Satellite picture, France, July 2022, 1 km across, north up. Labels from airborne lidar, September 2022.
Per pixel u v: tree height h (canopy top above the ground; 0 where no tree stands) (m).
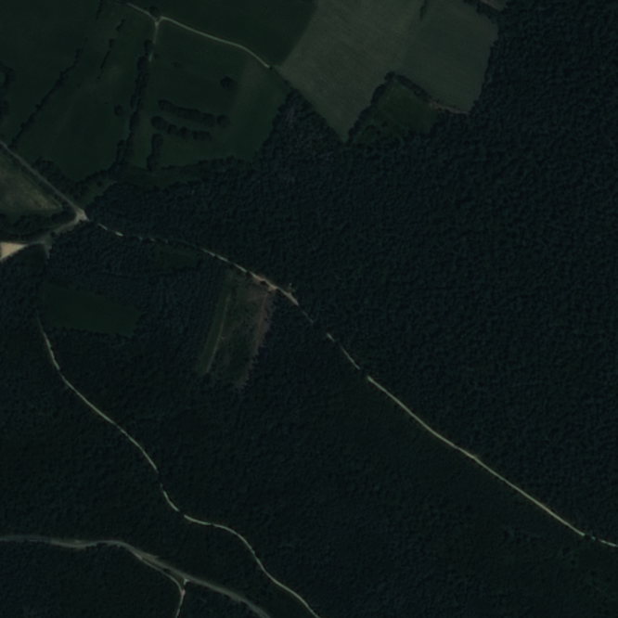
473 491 12
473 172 22
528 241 25
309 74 0
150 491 12
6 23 0
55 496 17
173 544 9
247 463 13
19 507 11
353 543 15
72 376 18
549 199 19
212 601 16
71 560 11
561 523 10
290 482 13
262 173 10
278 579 14
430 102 20
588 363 19
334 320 20
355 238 19
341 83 0
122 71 0
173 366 15
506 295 14
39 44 0
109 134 0
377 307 9
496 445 22
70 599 12
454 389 19
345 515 18
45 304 17
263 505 22
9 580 25
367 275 19
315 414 16
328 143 21
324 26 0
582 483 18
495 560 9
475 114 13
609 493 23
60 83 16
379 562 13
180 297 27
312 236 16
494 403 20
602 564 8
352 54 0
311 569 13
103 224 20
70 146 0
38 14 0
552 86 27
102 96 0
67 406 15
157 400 15
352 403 11
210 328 21
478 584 15
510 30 25
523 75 26
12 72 17
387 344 10
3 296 23
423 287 17
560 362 19
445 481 10
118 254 27
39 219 17
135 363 10
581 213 23
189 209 13
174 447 12
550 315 20
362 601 20
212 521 9
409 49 0
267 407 13
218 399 17
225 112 0
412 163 22
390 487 13
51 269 22
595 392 14
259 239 12
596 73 25
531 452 10
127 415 6
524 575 11
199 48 0
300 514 10
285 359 12
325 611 19
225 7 0
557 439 21
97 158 0
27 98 0
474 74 0
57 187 15
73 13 0
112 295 21
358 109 0
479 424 13
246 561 15
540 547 10
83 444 13
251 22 0
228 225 14
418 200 24
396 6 0
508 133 23
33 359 8
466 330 22
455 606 19
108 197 17
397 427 10
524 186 16
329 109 0
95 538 12
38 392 6
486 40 0
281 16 0
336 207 22
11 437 7
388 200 23
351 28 0
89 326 0
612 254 14
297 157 25
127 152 17
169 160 0
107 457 23
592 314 22
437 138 22
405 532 22
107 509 17
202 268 21
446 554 8
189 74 0
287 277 21
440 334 21
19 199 0
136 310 8
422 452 12
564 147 20
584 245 19
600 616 13
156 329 17
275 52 0
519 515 14
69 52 0
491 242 15
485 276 15
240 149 0
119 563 12
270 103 0
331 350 19
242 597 0
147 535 10
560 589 12
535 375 24
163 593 12
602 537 19
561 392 14
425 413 13
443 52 0
